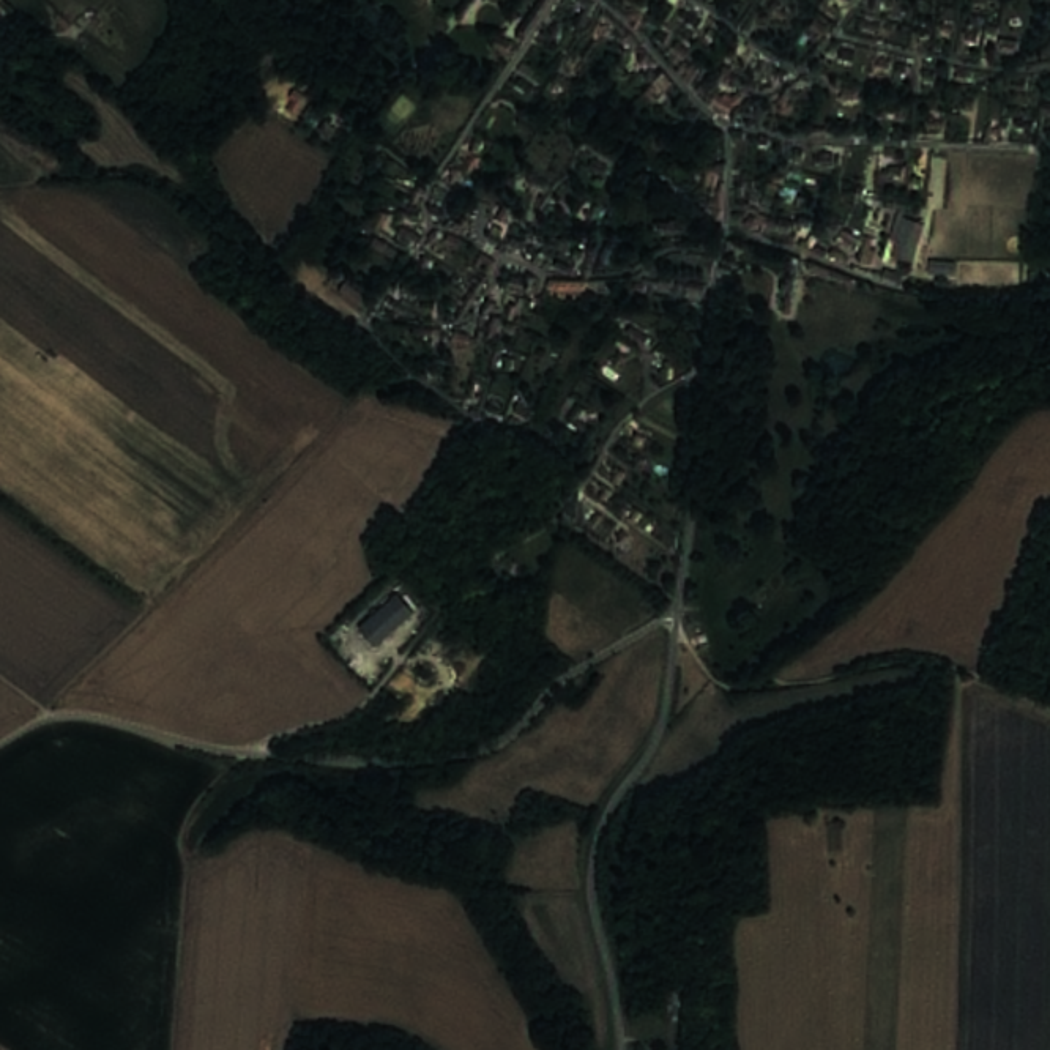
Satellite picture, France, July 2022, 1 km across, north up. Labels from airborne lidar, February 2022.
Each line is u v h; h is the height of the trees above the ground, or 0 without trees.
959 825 0
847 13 0
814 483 17
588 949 0
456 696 13
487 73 11
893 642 0
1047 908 0
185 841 0
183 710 0
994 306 22
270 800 21
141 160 0
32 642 0
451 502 17
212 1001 0
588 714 0
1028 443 0
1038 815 0
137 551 0
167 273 0
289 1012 0
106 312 0
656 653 0
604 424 7
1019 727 0
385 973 0
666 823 18
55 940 0
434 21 0
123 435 0
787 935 0
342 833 22
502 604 17
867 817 0
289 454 0
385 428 0
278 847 0
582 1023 12
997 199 0
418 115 0
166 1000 0
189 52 9
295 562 0
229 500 0
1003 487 0
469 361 0
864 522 20
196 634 0
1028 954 0
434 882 18
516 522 22
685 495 18
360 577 0
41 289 0
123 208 0
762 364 30
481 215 0
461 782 0
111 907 0
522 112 12
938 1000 0
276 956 0
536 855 0
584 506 0
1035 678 18
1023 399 18
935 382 23
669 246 6
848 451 26
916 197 11
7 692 0
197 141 17
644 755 0
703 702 0
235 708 0
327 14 16
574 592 0
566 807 8
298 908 0
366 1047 20
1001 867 0
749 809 11
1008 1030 0
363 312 0
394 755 11
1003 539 0
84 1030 0
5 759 0
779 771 16
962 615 0
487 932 12
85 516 0
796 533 20
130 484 0
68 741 0
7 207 0
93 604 0
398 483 0
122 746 0
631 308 19
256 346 0
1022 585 16
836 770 15
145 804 0
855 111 0
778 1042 0
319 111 14
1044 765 0
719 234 29
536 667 19
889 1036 0
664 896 11
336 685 0
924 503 17
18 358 0
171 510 0
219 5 24
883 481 19
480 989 0
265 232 0
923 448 20
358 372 11
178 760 0
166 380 0
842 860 0
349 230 9
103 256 0
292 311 18
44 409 0
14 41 22
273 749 10
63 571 0
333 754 10
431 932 0
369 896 0
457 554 21
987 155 0
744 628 20
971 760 0
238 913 0
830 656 0
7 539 0
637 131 11
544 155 0
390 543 16
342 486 0
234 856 0
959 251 0
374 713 10
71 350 0
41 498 0
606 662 0
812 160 0
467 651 0
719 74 0
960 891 0
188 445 0
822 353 0
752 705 0
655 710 0
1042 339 27
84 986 0
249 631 0
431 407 13
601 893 11
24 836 0
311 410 0
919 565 0
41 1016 0
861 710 13
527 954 20
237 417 0
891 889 0
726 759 12
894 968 0
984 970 0
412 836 13
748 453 21
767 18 9
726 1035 17
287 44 29
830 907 0
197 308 0
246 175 0
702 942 14
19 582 0
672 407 0
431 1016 0
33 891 0
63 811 0
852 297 0
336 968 0
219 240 17
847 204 0
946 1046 0
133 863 0
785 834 0
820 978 0
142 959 0
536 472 22
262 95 17
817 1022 0
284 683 0
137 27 0
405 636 0
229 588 0
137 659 0
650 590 13
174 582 0
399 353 10
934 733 13
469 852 22
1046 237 16
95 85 15
